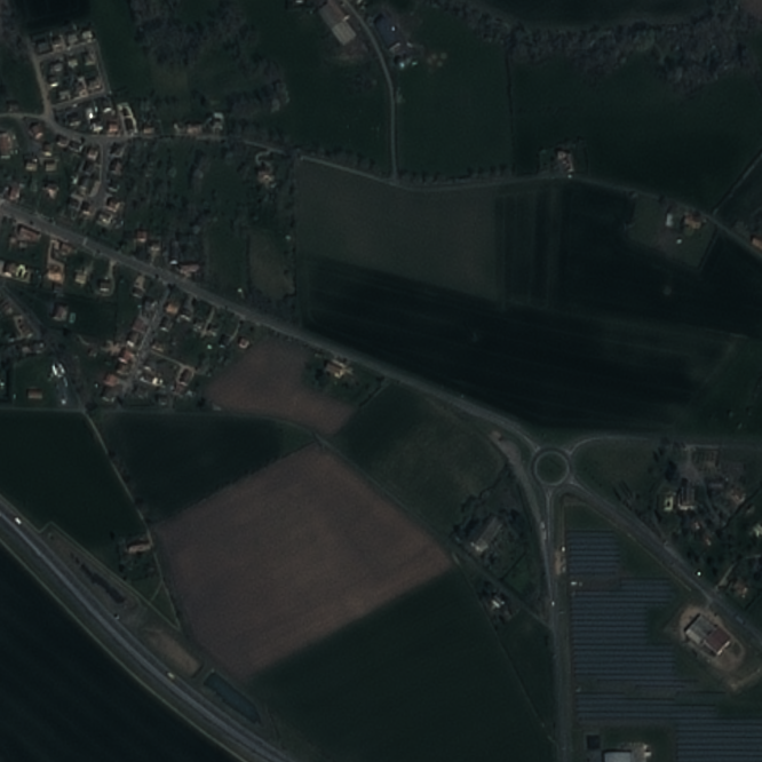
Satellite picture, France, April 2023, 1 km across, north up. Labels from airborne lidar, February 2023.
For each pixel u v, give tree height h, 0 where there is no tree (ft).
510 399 0
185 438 0
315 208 0
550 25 0
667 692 0
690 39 23
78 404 0
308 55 0
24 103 0
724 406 0
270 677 0
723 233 0
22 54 47
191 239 41
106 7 0
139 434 0
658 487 0
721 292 0
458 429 0
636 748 0
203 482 0
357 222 0
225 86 0
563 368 0
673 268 0
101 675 0
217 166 0
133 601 0
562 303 0
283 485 0
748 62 73
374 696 0
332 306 0
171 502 0
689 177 0
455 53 0
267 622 0
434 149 0
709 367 0
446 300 0
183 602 0
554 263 0
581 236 0
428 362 0
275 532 0
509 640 0
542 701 0
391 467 0
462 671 0
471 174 35
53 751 0
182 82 0
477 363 0
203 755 0
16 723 0
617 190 0
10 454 0
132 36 0
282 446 0
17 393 0
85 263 33
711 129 0
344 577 0
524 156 0
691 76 69
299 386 0
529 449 0
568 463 0
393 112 0
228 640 0
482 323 0
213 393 0
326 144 0
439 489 0
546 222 0
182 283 0
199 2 0
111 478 0
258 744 0
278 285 0
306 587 0
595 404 0
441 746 0
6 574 0
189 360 0
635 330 0
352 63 0
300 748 0
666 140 0
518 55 65
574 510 0
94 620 0
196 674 0
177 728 0
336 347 0
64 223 0
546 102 0
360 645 0
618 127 0
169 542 0
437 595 0
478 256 0
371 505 0
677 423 0
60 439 0
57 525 0
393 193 0
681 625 0
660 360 0
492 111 0
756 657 0
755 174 0
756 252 0
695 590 0
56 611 0
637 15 0
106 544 0
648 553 0
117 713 0
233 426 0
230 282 0
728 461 0
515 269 0
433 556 0
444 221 0
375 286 0
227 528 0
